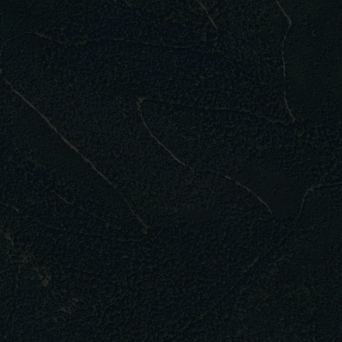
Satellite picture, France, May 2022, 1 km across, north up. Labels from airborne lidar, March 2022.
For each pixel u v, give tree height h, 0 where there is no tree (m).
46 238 33
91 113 25
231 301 15
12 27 9
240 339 26
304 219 16
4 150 29
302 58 12
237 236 29
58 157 8
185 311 27
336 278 28
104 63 35
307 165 18
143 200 9
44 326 22
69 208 25
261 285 28
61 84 25
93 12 8
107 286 30
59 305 14
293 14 9
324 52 13
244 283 24
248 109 27
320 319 26
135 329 21
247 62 9
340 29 13
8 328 26
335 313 25
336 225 14
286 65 11
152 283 36
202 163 24
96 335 20
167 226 14
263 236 27
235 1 14
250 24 12
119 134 27
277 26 9
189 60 36
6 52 11
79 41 18
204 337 27
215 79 39
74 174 11
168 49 28
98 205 23
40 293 18
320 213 13
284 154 11
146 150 27
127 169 13
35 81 20
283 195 10
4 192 31
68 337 20
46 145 10
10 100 22
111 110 24
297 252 25
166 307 35
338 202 15
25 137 11
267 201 17
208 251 30
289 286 29
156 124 6
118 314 10
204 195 25
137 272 38
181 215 13
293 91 17
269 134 37
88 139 30
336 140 10
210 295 13
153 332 27
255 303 26
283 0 6
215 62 40
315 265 23
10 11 13
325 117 25
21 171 29
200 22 13
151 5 13
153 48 21
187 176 26
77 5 17
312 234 19
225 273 24
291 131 33
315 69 14
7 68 17
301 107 15
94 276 35
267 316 28
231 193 14
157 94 24
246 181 11
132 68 31
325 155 11
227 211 18
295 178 16
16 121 16
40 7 14
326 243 15
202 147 7
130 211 17
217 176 29
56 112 24
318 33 15
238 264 26
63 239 35
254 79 25
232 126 28
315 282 10
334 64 14
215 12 17
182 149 25
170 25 41
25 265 9
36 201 31
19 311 21
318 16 13
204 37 19
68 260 33
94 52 40
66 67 31
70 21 13
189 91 26
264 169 15
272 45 8
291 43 12
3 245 7
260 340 28
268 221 26
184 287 31
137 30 23
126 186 17
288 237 14
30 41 12
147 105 14
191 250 30
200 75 23
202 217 13
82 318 17
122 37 20
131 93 10
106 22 33
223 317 13
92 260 32
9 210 21
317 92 14
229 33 8
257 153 19
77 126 27
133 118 26
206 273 29
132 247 28
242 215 25
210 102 29
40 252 13
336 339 17
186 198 14
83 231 23
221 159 25
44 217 21
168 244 30
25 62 13
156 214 8
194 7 32
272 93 14
